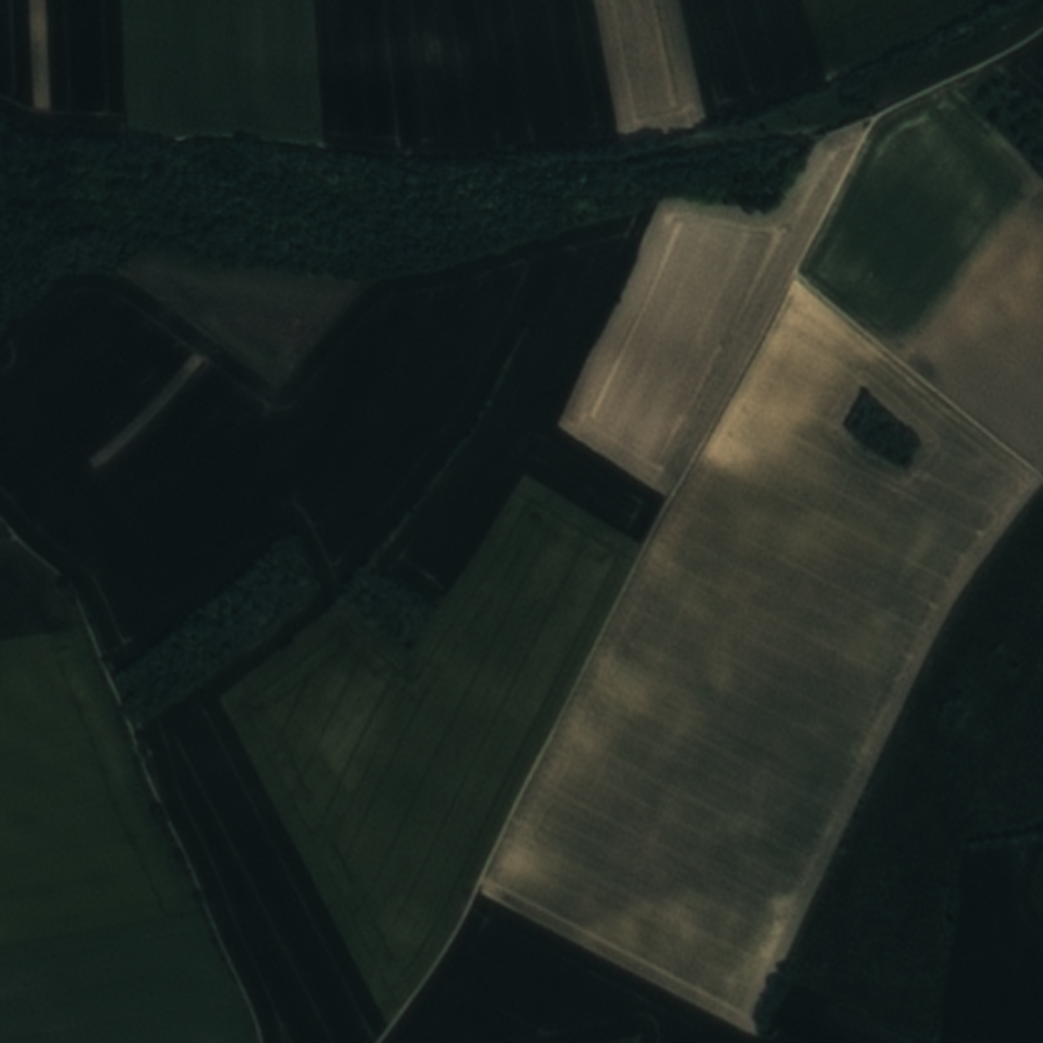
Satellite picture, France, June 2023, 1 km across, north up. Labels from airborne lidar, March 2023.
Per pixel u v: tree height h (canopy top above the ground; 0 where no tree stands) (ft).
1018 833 33
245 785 0
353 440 0
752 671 0
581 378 0
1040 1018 0
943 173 0
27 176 64
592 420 0
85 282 0
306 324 0
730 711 0
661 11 0
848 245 0
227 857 0
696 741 0
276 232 62
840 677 0
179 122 0
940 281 0
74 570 0
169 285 0
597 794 0
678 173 61
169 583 0
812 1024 0
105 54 0
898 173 0
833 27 0
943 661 0
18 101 0
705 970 0
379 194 67
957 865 0
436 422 0
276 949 0
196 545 0
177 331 0
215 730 0
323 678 0
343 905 0
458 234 46
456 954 0
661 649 0
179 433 0
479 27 0
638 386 0
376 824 0
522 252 0
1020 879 0
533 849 0
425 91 0
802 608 0
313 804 0
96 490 0
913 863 0
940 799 0
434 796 0
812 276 0
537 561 0
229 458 0
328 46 0
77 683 0
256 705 0
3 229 63
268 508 0
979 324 0
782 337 0
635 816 0
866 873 0
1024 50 0
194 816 0
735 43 0
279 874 0
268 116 0
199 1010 0
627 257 0
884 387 0
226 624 49
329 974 0
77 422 0
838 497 0
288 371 0
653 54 0
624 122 0
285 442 0
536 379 0
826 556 0
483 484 0
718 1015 0
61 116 0
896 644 0
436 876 0
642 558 0
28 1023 0
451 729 0
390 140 0
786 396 0
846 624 0
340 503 0
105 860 0
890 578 0
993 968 0
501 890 0
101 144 48
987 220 0
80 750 0
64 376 0
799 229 0
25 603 0
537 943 0
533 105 0
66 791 0
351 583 43
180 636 37
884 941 0
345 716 0
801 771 0
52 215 47
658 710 0
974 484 0
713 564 0
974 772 0
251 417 0
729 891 0
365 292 0
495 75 0
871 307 0
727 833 0
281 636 0
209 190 54
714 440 0
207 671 34
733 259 0
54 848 0
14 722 0
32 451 0
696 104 0
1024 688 0
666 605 0
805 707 0
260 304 0
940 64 0
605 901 0
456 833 0
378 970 0
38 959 0
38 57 0
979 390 0
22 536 0
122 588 0
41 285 38
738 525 0
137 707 26
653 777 0
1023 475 0
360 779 0
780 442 0
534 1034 0
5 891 0
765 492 0
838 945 0
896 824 0
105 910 0
